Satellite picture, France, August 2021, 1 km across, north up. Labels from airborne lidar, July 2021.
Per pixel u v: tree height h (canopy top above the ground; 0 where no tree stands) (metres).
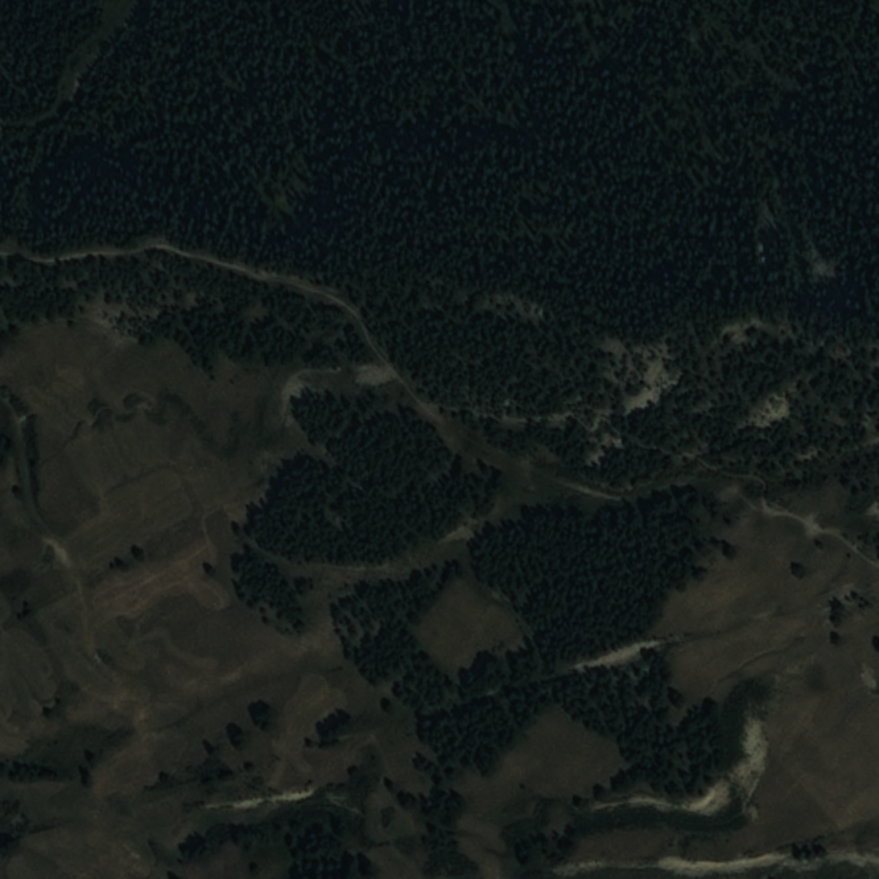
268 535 11
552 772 0
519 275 22
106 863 0
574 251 20
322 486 20
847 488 12
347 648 20
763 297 18
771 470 11
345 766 0
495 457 0
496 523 0
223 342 11
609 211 11
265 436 0
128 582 0
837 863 0
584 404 10
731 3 19
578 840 14
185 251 11
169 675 0
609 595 17
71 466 0
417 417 16
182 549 0
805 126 23
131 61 20
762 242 7
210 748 7
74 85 0
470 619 0
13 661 0
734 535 0
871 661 0
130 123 14
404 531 21
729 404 12
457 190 16
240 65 18
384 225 20
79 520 0
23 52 11
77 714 0
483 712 24
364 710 0
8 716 0
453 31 14
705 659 0
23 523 0
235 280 14
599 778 0
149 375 0
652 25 16
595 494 0
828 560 0
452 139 16
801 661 0
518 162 17
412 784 0
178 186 22
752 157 25
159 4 22
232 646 0
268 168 25
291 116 19
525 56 9
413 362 7
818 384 16
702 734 19
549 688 6
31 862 0
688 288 15
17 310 14
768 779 0
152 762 0
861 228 20
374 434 15
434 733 24
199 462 0
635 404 0
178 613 0
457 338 14
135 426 0
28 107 13
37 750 0
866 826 0
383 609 19
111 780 0
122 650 0
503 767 0
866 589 0
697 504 13
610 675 14
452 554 0
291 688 0
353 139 8
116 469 0
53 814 0
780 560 0
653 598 20
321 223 20
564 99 24
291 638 0
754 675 0
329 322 16
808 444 8
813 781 0
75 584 0
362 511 23
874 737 0
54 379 0
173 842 0
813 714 0
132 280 12
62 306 13
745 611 0
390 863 0
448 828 13
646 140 21
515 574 22
